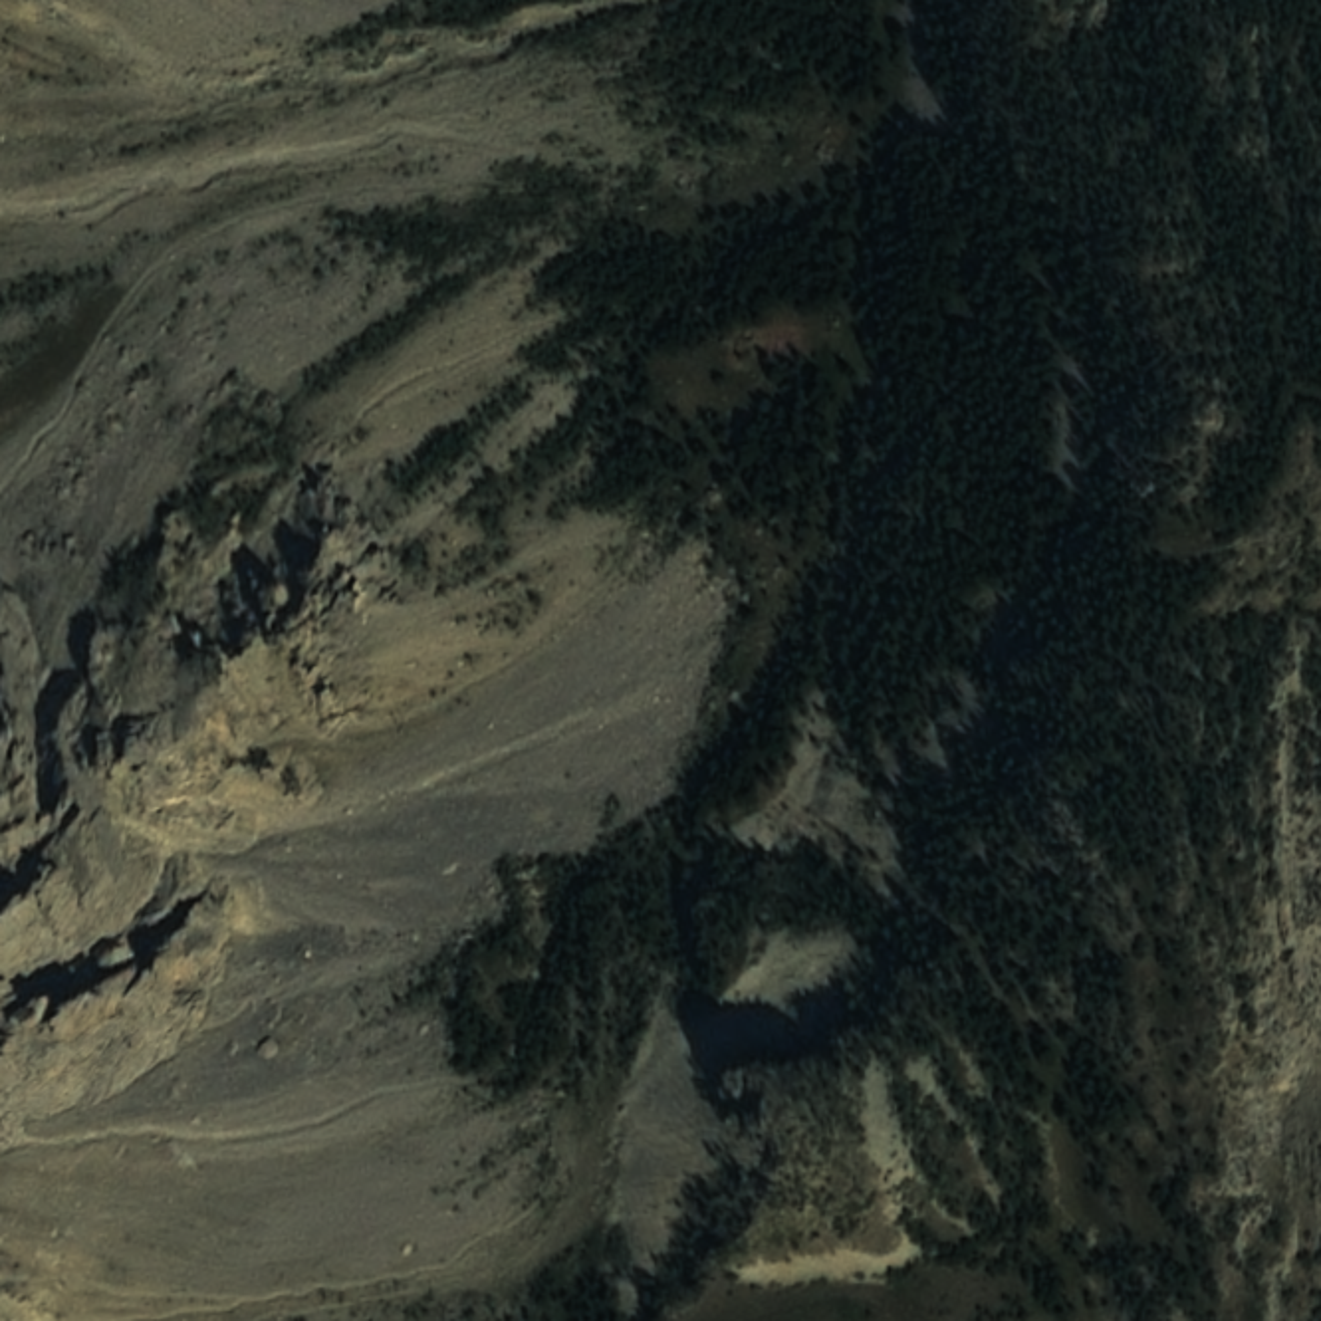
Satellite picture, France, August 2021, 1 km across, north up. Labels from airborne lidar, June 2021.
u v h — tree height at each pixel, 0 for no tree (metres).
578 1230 0
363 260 0
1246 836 11
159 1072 0
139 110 0
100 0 0
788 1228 0
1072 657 8
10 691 0
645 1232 0
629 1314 0
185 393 0
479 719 0
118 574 8
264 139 0
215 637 0
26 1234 0
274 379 0
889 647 17
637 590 0
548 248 0
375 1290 0
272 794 0
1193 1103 0
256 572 0
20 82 0
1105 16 8
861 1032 8
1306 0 16
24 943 0
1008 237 22
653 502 7
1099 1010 8
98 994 0
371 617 0
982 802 12
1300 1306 0
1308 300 13
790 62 20
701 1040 0
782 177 0
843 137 0
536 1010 12
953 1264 9
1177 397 10
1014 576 10
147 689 0
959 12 11
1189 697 8
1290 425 11
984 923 19
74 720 0
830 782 0
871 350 16
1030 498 25
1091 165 7
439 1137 0
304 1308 0
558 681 0
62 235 0
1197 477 11
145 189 0
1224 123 7
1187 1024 0
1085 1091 15
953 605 14
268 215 0
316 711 0
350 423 0
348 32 6
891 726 13
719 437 16
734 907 12
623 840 9
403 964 0
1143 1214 0
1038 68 14
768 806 0
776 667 8
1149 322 11
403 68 0
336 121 0
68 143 0
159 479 0
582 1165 0
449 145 0
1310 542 7
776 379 22
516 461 11
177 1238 0
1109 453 10
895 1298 0
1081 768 19
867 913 15
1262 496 10
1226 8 21
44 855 0
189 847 0
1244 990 6
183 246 0
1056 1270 10
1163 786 16
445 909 0
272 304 0
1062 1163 0
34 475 0
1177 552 0
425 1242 0
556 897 9
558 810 0
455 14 11
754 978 0
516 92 0
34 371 0
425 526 0
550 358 8
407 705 0
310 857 0
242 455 7
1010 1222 11
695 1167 0
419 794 0
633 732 0
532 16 0
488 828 0
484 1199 0
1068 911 18
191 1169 0
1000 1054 16
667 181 0
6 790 0
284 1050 0
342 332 0
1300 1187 0
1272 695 5
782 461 27
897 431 15
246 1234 0
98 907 0
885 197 15
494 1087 8
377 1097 0
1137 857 10
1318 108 6
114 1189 0
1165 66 10
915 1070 0
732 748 12
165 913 0
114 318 0
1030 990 13
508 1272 0
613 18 7
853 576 12
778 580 0
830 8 6
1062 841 7
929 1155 8
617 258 14
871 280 16
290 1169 0
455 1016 13
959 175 21
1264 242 12
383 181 0
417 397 0
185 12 0
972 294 25
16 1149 0
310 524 0
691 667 0
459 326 0
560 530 0
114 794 0
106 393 0
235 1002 0
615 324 16
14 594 0
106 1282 0
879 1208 0
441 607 0
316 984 0
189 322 0
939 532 17
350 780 0
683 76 7
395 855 0
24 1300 0
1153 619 14
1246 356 19
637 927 13
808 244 25
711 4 12
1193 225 14
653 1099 0
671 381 0
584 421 13
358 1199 0
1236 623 18
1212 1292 10
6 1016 0
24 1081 0
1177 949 9
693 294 13
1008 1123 15
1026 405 18
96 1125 0
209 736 0
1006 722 12
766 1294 0
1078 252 23
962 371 20
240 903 0
